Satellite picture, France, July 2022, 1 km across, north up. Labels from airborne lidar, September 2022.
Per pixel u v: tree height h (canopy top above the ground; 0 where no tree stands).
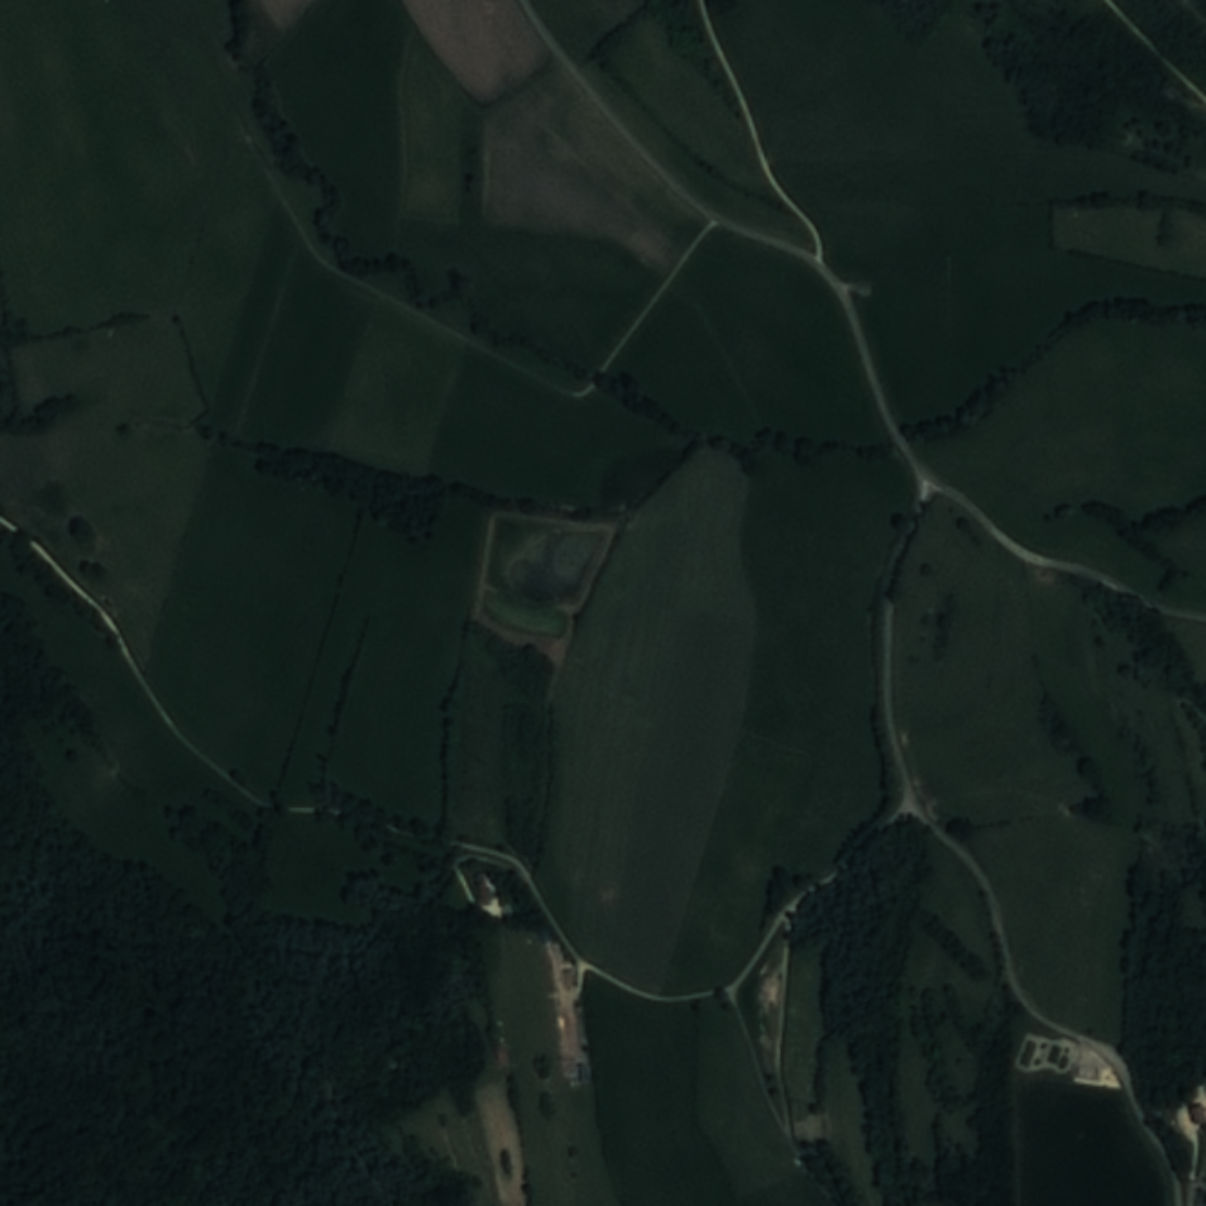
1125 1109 0
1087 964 0
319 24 0
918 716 0
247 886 20
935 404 0
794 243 0
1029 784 0
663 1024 0
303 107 0
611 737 0
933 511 9
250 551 0
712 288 0
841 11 0
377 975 19
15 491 0
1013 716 0
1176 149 12
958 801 0
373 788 0
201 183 0
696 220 0
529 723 7
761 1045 0
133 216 0
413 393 0
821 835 0
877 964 13
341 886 0
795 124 0
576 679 0
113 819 0
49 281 0
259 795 0
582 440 0
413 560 0
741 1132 0
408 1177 21
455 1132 0
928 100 0
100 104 0
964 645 0
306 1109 14
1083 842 0
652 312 0
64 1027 22
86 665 0
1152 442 0
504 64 0
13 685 14
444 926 14
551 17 0
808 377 0
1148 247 0
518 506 9
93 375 0
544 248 0
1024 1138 0
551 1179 0
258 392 0
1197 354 0
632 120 0
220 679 0
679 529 0
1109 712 0
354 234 0
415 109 0
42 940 25
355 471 20
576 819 0
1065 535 0
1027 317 0
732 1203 0
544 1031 0
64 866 15
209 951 20
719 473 0
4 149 0
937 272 0
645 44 0
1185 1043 9
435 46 0
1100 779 13
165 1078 19
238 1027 13
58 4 0
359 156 0
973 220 0
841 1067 0
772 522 0
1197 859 9
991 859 0
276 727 0
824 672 0
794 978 0
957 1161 15
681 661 0
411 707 0
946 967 0
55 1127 23
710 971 0
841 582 0
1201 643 0
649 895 0
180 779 0
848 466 0
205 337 0
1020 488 0
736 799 0
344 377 0
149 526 0
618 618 0
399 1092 17
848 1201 17
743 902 0
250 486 0
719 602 0
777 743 0
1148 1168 0
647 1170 0
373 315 0
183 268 0
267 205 0
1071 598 0
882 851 8
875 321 0
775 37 0
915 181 0
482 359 0
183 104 0
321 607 0
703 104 0
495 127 0
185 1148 15
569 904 0
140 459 0
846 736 0
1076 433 0
